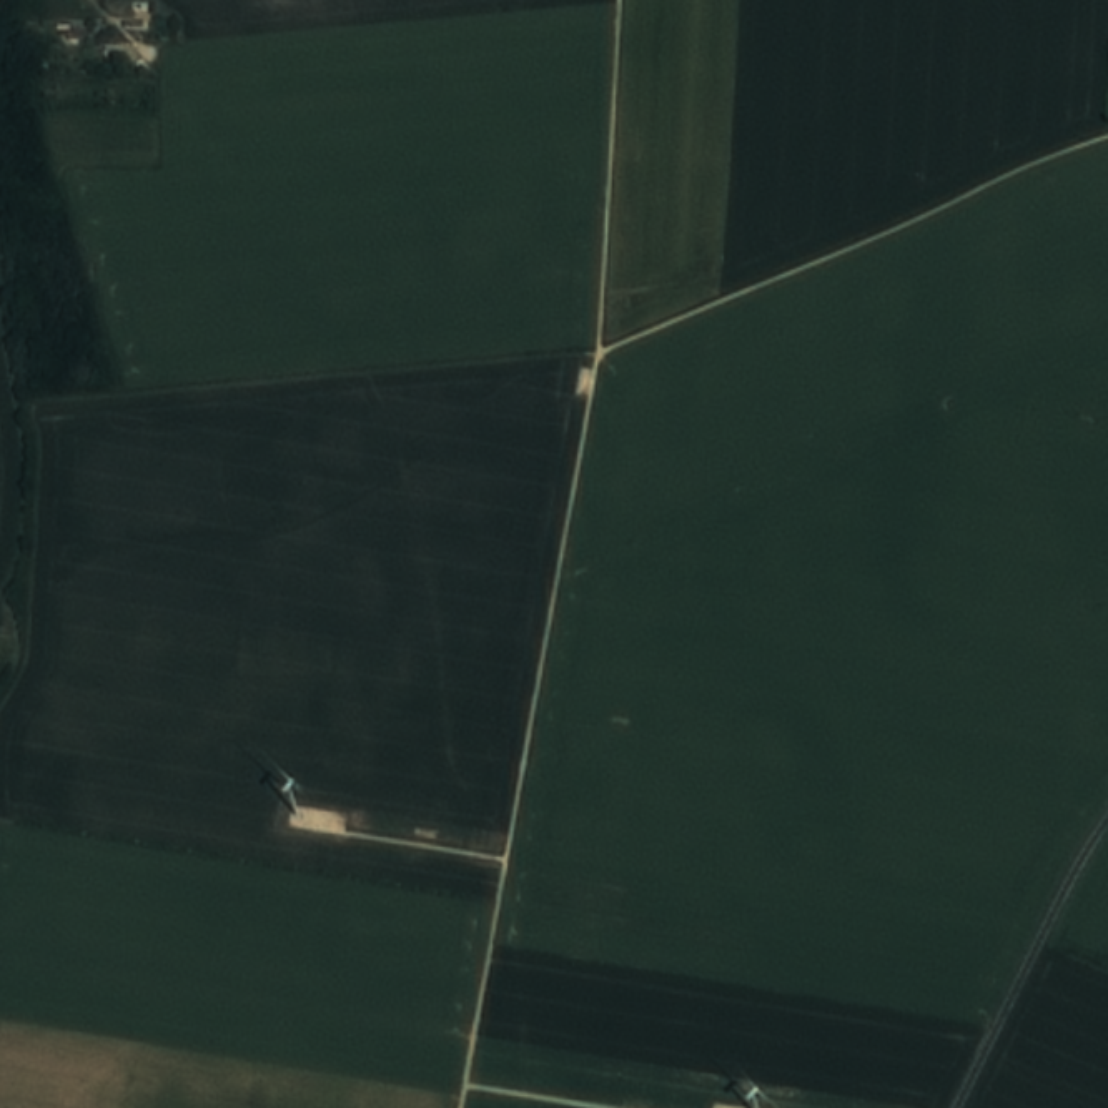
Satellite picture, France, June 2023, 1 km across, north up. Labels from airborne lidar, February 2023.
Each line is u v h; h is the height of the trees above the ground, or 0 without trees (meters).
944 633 0
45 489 0
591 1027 0
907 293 0
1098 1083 0
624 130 0
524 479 0
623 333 0
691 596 0
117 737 0
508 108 0
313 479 0
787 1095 0
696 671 0
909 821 0
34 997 0
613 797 0
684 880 0
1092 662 0
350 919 0
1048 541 0
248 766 0
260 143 0
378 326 0
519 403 0
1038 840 0
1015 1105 0
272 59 0
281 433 0
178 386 0
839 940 0
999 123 0
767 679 0
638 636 0
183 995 0
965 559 0
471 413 0
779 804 0
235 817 0
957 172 0
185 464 0
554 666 0
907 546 0
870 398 0
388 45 0
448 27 0
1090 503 0
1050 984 0
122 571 0
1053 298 0
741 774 0
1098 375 0
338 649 0
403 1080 0
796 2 0
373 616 0
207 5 0
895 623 0
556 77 0
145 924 0
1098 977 0
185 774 0
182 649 0
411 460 0
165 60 0
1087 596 0
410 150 0
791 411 0
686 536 0
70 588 0
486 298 0
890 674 0
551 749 0
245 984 0
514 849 0
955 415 0
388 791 0
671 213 0
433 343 0
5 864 0
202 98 0
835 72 0
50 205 9
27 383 11
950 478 0
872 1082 0
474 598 0
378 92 0
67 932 0
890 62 0
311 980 0
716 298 0
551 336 0
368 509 0
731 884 0
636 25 0
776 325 0
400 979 0
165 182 0
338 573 0
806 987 0
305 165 0
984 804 0
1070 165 0
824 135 0
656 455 0
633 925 0
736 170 0
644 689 0
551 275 0
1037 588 0
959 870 0
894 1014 0
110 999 0
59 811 0
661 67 0
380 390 0
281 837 0
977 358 0
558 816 0
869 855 0
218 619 0
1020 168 0
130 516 0
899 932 0
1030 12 0
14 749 0
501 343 0
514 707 0
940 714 0
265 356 0
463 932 0
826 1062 0
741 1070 0
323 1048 0
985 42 0
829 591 0
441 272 0
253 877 0
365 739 0
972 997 0
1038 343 0
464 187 0
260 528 0
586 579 0
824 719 0
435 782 0
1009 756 0
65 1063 0
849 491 0
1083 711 0
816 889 0
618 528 0
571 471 0
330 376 0
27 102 8
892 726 0
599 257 0
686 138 0
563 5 0
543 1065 0
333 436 0
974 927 0
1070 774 0
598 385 0
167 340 0
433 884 0
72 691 0
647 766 0
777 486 0
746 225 0
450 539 0
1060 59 0
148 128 0
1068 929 0
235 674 0
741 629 0
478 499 0
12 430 0
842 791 0
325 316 0
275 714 0
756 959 0
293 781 0
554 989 0
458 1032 0
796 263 0
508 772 0
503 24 0
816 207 0
